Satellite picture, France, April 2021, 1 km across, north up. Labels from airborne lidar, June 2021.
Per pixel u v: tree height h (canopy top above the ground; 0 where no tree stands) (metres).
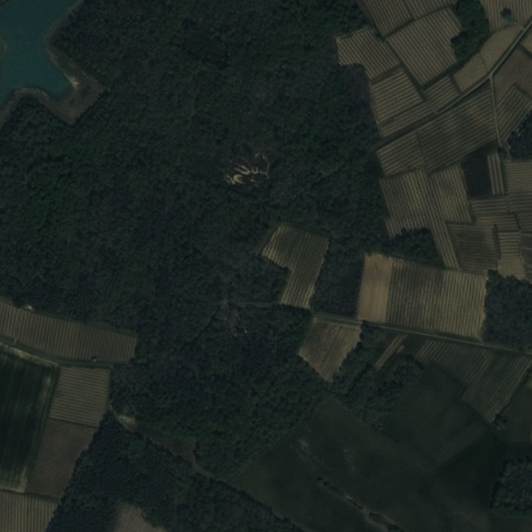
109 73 16
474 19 20
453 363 0
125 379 16
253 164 5
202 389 22
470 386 0
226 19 18
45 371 0
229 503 23
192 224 18
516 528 0
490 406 0
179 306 20
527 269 0
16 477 0
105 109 14
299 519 0
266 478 0
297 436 0
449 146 0
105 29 16
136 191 21
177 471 18
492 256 0
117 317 16
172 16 18
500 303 19
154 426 13
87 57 17
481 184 0
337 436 0
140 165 23
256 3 19
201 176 15
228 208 20
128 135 23
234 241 20
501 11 0
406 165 0
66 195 19
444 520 0
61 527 21
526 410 0
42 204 18
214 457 20
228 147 17
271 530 19
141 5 25
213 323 16
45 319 0
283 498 0
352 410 14
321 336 0
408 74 0
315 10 27
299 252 0
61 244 21
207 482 7
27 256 25
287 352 8
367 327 18
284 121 21
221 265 18
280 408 11
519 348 16
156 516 19
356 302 11
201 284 21
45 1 0
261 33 17
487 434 0
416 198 0
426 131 0
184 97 17
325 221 21
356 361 16
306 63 19
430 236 17
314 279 0
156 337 17
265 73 18
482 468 0
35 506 0
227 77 17
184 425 19
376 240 17
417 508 0
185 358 17
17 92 0
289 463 0
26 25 0
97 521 23
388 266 0
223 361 23
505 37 0
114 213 18
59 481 0
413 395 0
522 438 0
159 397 22
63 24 0
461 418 0
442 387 0
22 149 9
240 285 15
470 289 0
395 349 0
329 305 12
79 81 0
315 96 24
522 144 21
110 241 13
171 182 19
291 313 18
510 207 0
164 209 26
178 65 18
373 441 0
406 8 0
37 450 0
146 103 20
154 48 15
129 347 0
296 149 17
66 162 21
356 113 26
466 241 0
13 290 24
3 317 0
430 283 0
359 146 21
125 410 20
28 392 0
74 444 0
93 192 15
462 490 0
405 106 0
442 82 0
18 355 0
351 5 21
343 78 14
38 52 0
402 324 0
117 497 19
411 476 0
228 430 21
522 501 12
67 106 0
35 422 0
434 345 0
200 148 19
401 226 0
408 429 0
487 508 0
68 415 0
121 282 21
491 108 0
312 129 26
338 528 0
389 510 0
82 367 0
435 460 0
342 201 11
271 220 20
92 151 24
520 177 0
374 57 0
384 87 0
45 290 20
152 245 21
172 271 19
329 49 18
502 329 22
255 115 15
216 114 17
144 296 14
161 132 13
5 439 0
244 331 23
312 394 17
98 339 0
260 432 19
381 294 0
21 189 18
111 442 19
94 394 0
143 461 18
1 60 0
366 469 0
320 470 0
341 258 19
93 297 20
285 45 26
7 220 18
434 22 0
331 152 26
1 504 0
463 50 17
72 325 0
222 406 25
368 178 19
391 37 0
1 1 0
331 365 0
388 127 0
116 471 20
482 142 0
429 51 0
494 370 0
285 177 14
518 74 0
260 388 24
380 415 17
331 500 0
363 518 0
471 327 0
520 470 8
